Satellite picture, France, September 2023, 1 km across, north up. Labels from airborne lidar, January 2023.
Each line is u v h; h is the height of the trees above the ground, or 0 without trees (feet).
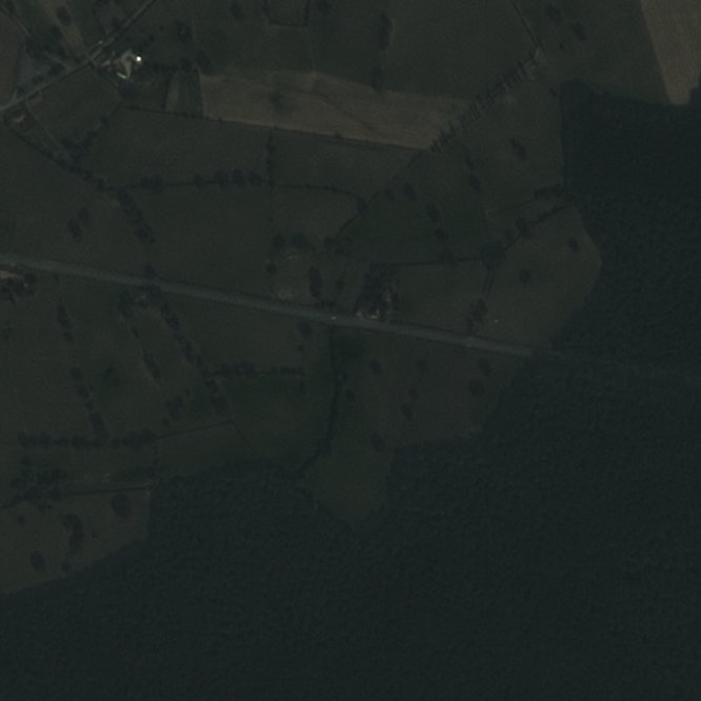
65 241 0
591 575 82
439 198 0
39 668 79
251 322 0
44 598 67
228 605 82
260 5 0
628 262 82
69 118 0
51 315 0
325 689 73
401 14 0
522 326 0
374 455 0
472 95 0
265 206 0
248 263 0
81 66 0
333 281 0
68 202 0
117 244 0
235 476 64
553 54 0
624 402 92
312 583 79
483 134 0
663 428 85
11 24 0
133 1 0
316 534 78
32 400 0
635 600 100
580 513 98
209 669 95
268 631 79
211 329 0
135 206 49
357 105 0
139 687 74
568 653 78
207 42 0
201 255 0
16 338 0
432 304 0
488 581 93
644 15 0
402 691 79
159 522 67
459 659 81
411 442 0
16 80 0
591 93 52
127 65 0
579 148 75
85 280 0
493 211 0
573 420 89
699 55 0
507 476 91
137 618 90
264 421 0
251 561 93
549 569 87
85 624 86
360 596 87
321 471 0
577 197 77
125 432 0
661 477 87
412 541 93
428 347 0
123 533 0
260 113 0
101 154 0
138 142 0
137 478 0
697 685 89
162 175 0
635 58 0
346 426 0
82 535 61
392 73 0
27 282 31
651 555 104
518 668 80
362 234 0
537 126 0
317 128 0
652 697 70
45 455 0
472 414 0
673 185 61
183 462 0
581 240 0
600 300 77
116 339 0
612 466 87
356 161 0
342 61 0
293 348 0
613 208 60
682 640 92
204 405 0
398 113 0
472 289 0
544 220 25
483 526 89
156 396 0
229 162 0
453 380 0
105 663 84
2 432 0
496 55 0
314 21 0
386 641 74
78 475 0
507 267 0
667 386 77
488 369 52
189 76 0
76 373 43
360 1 0
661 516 86
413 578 84
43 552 0
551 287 0
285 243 36
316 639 79
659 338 84
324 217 0
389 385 0
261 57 0
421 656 81
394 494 64
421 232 0
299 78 0
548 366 78
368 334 0
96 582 73
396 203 0
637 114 56
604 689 79
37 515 0
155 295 57
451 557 79
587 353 53
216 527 88
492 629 86
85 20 0
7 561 0
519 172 0
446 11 0
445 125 0
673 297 70
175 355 0
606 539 79
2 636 82
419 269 0
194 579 90
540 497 93
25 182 0
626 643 87
